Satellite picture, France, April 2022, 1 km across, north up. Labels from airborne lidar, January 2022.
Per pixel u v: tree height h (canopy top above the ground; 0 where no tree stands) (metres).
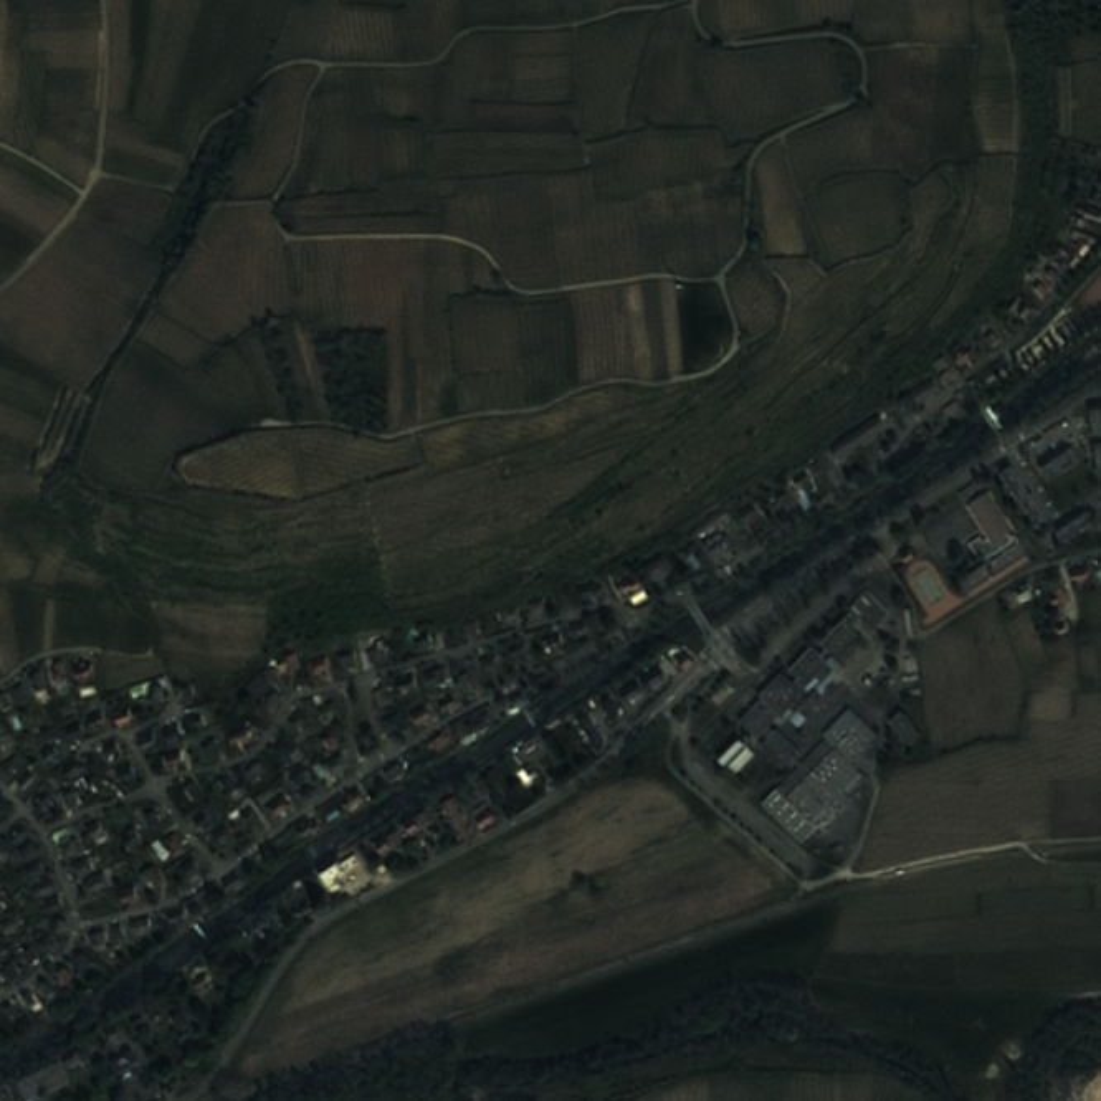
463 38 0
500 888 0
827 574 16
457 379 0
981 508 0
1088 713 0
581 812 0
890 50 0
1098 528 0
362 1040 0
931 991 0
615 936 0
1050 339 0
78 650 0
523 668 7
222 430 0
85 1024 15
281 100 0
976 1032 0
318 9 0
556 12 0
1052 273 6
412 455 0
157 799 0
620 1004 0
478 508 0
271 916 9
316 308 0
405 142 0
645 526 8
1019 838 0
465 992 0
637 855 0
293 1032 0
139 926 0
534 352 0
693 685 0
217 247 0
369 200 0
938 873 0
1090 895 0
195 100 0
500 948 0
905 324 0
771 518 8
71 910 0
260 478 0
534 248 0
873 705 0
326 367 11
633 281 0
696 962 0
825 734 0
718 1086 0
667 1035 19
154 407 0
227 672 0
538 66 0
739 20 0
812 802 0
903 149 0
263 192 0
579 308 0
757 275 0
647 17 0
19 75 0
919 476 0
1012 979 0
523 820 0
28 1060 9
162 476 0
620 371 0
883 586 0
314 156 0
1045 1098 17
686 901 0
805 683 0
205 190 8
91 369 0
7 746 0
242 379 0
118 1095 22
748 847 0
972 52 0
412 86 0
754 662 11
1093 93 0
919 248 0
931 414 0
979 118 0
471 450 0
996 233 0
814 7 0
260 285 0
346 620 7
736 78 0
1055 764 0
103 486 0
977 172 0
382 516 0
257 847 0
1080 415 0
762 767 0
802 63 0
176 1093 8
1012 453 0
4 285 0
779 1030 16
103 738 0
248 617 0
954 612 0
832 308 0
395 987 0
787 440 0
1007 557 0
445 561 0
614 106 0
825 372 0
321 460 0
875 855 0
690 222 0
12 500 0
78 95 0
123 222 0
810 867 0
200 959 6
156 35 0
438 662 0
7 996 0
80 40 0
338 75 0
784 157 0
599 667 18
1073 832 0
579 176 0
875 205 0
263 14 0
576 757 0
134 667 0
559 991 0
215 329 0
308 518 0
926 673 0
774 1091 0
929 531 0
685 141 0
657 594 11
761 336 0
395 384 0
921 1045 0
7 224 0
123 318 0
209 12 0
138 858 0
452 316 0
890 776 0
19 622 0
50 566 0
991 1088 0
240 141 9
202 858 0
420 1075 21
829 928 0
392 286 0
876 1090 0
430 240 0
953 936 0
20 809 0
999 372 0
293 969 0
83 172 0
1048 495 0
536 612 0
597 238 0
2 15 0
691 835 0
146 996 19
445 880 0
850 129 0
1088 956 0
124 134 0
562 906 0
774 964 0
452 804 0
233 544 0
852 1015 0
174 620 0
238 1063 0
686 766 0
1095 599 0
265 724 0
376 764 0
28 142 0
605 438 0
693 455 0
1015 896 0
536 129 0
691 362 0
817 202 0
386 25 0
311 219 0
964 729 0
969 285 0
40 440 0
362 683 0
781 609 15
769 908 0
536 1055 0
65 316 0
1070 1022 12
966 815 0
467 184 0
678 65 0
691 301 0
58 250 0
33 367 0
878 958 0
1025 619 0
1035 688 0
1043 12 15
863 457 0
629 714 0
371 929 0
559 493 0
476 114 0
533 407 0
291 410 9
